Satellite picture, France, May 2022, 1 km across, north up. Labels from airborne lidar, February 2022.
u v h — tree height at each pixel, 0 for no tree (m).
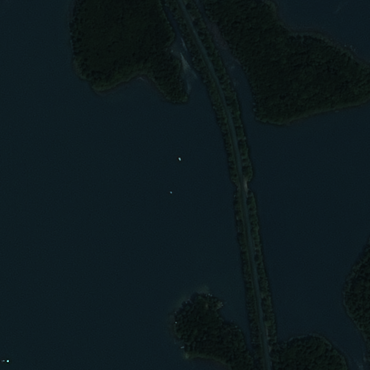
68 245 0
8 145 0
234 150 0
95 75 20
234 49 18
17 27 0
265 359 0
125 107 0
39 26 0
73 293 0
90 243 0
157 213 0
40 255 0
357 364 0
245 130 0
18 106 0
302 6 0
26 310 0
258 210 0
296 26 0
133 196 0
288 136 0
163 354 0
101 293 0
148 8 15
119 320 0
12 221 0
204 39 18
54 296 0
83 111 0
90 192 0
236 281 0
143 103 0
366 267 25
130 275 0
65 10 0
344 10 0
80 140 0
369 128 0
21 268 0
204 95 0
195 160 0
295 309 0
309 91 30
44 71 0
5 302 0
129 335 0
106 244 0
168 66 22
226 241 0
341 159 0
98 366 0
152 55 20
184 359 0
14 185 0
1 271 0
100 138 0
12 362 0
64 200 0
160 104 0
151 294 0
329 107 10
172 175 0
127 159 0
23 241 0
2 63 0
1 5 0
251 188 0
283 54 30
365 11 0
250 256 0
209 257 0
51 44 0
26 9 0
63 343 0
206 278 0
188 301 0
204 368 0
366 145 0
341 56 22
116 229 0
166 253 0
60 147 0
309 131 0
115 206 0
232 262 0
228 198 0
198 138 0
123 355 0
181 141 0
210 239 0
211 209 0
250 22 25
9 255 0
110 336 0
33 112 0
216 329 25
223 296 0
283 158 0
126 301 0
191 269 0
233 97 18
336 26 0
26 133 0
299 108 21
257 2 14
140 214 0
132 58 13
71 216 0
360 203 0
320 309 0
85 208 0
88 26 13
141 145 0
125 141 0
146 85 0
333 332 0
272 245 0
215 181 0
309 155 0
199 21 19
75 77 0
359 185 0
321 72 28
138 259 0
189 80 0
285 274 0
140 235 0
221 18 23
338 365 24
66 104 0
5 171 0
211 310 21
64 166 0
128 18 15
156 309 0
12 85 0
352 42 0
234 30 25
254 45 26
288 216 0
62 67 0
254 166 0
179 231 0
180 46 0
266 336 0
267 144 0
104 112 0
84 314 0
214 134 0
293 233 0
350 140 0
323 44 14
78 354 0
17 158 0
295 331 0
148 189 0
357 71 24
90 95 0
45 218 0
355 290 23
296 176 0
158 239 0
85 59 21
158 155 0
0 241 0
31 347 0
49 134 0
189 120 0
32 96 0
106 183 0
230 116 0
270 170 0
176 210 0
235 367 21
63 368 0
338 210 0
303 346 24
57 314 0
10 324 0
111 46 14
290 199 0
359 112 0
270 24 23
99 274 0
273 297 0
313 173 0
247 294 14
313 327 0
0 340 0
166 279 0
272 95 28
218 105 15
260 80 23
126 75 6
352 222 0
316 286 0
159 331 0
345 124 0
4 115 0
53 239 0
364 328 20
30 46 0
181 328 17
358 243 0
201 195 0
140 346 0
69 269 0
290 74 29
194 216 0
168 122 0
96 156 0
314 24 0
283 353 20
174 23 0
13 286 0
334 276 0
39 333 0
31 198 0
